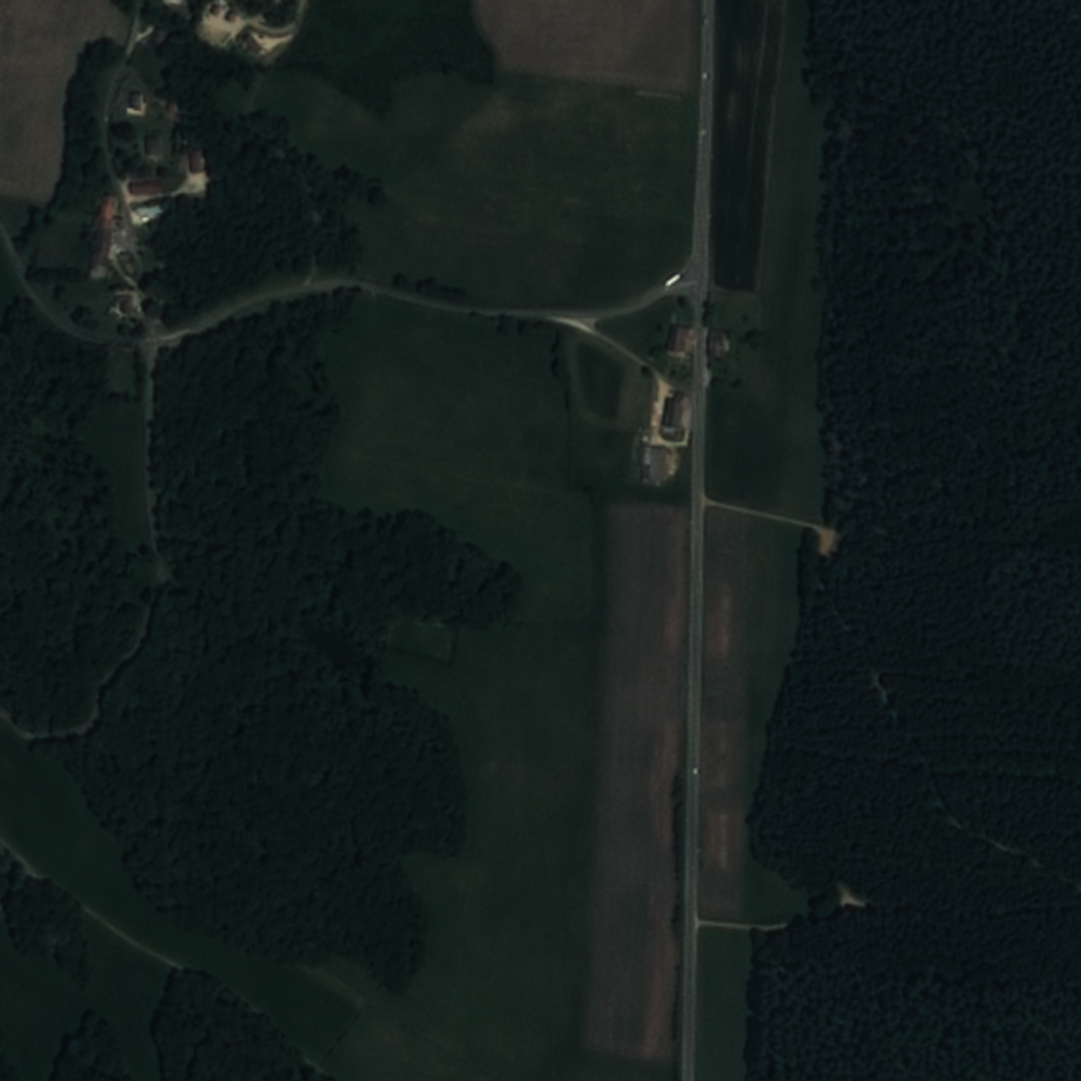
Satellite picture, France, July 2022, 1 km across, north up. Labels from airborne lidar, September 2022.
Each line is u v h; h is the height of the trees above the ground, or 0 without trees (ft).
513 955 0
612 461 0
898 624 74
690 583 0
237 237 55
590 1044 0
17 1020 0
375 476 0
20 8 0
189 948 0
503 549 0
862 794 81
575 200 0
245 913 64
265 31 0
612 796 0
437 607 66
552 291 0
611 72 0
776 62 0
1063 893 86
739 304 0
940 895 83
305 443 65
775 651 0
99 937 0
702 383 0
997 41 94
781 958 73
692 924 0
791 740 68
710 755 0
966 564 80
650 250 0
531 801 0
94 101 52
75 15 0
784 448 0
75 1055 63
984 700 71
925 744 77
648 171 0
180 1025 75
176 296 24
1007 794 81
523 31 0
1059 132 93
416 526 72
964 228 35
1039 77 115
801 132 0
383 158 0
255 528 60
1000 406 83
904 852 75
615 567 0
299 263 53
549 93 0
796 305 0
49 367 78
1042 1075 125
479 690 0
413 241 0
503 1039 0
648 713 0
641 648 0
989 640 84
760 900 0
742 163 0
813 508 0
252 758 78
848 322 67
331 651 25
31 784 0
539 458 0
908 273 77
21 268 0
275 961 54
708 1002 0
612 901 0
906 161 76
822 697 80
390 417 0
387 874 74
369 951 81
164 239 53
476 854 0
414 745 65
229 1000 55
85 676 63
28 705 62
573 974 0
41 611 64
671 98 0
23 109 0
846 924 93
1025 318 54
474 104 0
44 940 81
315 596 77
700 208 0
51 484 58
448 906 0
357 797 62
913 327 105
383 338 0
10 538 54
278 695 76
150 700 55
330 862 73
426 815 63
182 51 66
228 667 68
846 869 70
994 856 76
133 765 55
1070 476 118
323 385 77
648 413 0
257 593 57
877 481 84
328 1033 0
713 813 0
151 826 57
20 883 80
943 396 87
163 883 49
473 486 0
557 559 0
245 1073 71
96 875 0
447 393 0
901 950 81
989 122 104
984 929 89
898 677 74
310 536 72
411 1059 0
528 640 0
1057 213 105
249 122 61
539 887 0
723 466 0
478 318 27
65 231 0
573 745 0
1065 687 69
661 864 0
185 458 60
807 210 0
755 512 0
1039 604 105
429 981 0
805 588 46
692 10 0
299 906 67
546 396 0
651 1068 0
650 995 0
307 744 71
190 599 80
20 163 0
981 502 84
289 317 28
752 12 0
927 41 68
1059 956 90
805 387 0
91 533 68
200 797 59
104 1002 0
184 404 75
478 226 0
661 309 0
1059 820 80
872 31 104
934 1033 131
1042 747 75
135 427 0
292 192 75
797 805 70
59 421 68
